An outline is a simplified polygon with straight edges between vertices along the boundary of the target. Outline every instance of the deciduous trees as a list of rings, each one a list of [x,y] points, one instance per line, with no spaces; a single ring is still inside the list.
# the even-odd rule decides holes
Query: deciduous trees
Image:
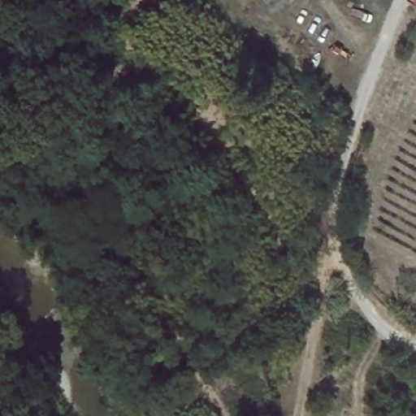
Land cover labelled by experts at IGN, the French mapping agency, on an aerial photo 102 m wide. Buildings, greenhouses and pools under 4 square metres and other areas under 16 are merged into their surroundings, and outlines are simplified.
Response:
[[[50,366],[45,356],[37,353],[36,349],[28,348],[23,343],[15,315],[3,314],[0,310],[0,416],[75,416],[78,406],[71,400],[71,387],[80,380],[86,380],[91,387],[96,388],[102,396],[99,411],[106,413],[107,416],[292,416],[296,405],[297,382],[301,374],[305,335],[318,317],[325,323],[320,336],[320,346],[315,354],[312,372],[314,385],[307,392],[304,416],[325,416],[330,411],[340,411],[346,406],[351,408],[353,380],[357,369],[364,370],[367,374],[364,416],[416,416],[416,348],[396,336],[383,340],[382,336],[377,335],[374,325],[367,322],[367,318],[359,312],[359,307],[351,301],[348,281],[344,279],[341,271],[331,271],[328,279],[330,288],[320,291],[317,279],[320,265],[318,260],[323,255],[330,255],[330,250],[328,237],[323,234],[320,223],[323,213],[331,205],[331,195],[336,182],[343,182],[333,232],[336,239],[340,240],[343,262],[351,268],[357,286],[366,294],[375,281],[369,253],[364,249],[366,229],[369,216],[367,167],[361,158],[356,158],[353,154],[349,158],[348,169],[343,169],[341,154],[348,146],[349,136],[353,133],[353,99],[343,86],[333,86],[331,81],[318,84],[314,78],[302,75],[301,70],[294,68],[294,58],[278,49],[273,37],[258,36],[257,29],[245,28],[242,23],[234,23],[224,13],[218,0],[0,0],[0,232],[3,232],[6,240],[13,244],[13,250],[19,260],[29,270],[28,275],[32,283],[44,283],[52,292],[52,314],[54,320],[60,322],[63,335],[60,377],[62,388],[57,393],[52,393],[49,385],[44,382],[44,377],[52,374],[54,367]]]
[[[396,318],[396,322],[403,325],[409,333],[416,335],[416,268],[400,266],[395,291],[388,294],[382,304]]]

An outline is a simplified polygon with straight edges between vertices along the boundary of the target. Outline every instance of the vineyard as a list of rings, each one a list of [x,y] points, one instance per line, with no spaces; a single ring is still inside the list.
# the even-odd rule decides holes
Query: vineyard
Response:
[[[388,175],[388,182],[395,182],[396,187],[385,187],[387,192],[393,195],[392,198],[383,197],[380,205],[380,213],[393,216],[396,218],[395,223],[390,223],[385,218],[369,216],[366,229],[377,232],[385,239],[416,253],[416,138],[414,141],[405,138],[406,145],[409,145],[408,151],[405,148],[398,148],[400,153],[405,153],[405,158],[395,156],[395,161],[400,164],[398,167],[392,166],[393,172],[398,172],[401,177],[414,182],[414,187],[409,187]]]

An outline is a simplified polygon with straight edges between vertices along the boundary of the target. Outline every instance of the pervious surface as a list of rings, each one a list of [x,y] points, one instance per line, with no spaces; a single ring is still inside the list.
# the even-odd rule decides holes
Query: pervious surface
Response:
[[[304,416],[307,392],[314,385],[312,372],[315,354],[320,346],[320,336],[325,323],[318,317],[305,335],[301,374],[297,382],[296,405],[292,416]]]
[[[357,86],[356,97],[353,99],[353,133],[349,136],[348,146],[341,154],[343,169],[348,169],[349,158],[353,154],[361,135],[367,102],[374,93],[375,81],[379,80],[382,71],[383,58],[387,55],[387,50],[396,44],[408,24],[403,16],[408,8],[406,0],[393,0],[380,29],[374,52],[370,55],[366,71]]]
[[[343,262],[340,240],[336,239],[333,232],[343,182],[336,182],[331,195],[331,205],[323,213],[320,223],[323,234],[328,237],[330,250],[330,255],[323,255],[318,260],[320,265],[317,279],[320,291],[330,288],[328,279],[331,271],[341,271],[344,279],[348,281],[351,301],[359,307],[359,312],[367,318],[367,322],[374,325],[377,335],[382,336],[383,340],[396,336],[416,348],[416,335],[409,333],[403,325],[396,322],[396,318],[382,304],[374,307],[366,294],[357,286],[351,268]]]

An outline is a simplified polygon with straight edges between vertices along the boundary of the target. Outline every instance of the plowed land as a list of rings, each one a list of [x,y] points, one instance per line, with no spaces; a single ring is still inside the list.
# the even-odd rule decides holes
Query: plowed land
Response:
[[[395,291],[400,266],[416,268],[416,253],[385,239],[377,232],[366,229],[364,249],[369,253],[375,281],[366,294],[374,307],[382,304],[388,294]]]

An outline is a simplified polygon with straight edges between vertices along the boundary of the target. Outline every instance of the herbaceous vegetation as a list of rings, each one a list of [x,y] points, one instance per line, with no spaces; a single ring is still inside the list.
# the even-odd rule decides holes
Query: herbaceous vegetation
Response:
[[[302,75],[314,78],[318,84],[331,81],[333,86],[343,86],[353,99],[356,97],[357,86],[366,71],[370,55],[374,52],[380,29],[393,0],[218,0],[224,13],[234,23],[242,23],[245,28],[257,29],[258,36],[273,37],[278,49],[294,58],[294,68],[301,70]]]
[[[330,411],[325,416],[364,416],[367,374],[364,370],[357,369],[353,380],[351,408],[346,406],[340,411]]]
[[[405,153],[400,153],[398,148],[405,148],[408,151],[409,145],[406,145],[405,138],[414,141],[416,138],[416,0],[406,0],[408,8],[403,16],[408,24],[396,44],[387,50],[387,55],[383,58],[382,71],[379,80],[375,81],[374,93],[367,102],[361,135],[353,154],[356,158],[361,158],[367,167],[369,216],[385,218],[390,223],[395,223],[396,218],[393,216],[380,213],[380,205],[383,197],[392,198],[393,195],[387,192],[385,187],[396,187],[395,182],[388,182],[388,175],[409,187],[414,187],[414,182],[401,177],[398,172],[393,172],[392,166],[398,167],[400,164],[395,161],[395,156],[405,158]]]

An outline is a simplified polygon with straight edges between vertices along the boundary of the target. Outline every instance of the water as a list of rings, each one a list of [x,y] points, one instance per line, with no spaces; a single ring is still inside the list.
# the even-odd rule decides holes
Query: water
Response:
[[[6,240],[3,232],[0,232],[0,310],[3,314],[15,315],[23,343],[28,348],[36,349],[37,353],[45,356],[50,366],[54,367],[52,374],[44,377],[44,382],[49,385],[52,393],[57,393],[62,388],[60,377],[63,335],[60,322],[54,320],[52,314],[52,292],[44,283],[32,283],[28,275],[29,270],[19,260],[13,250],[13,244]]]
[[[78,406],[75,416],[107,416],[106,413],[99,411],[102,396],[96,388],[91,387],[86,380],[80,380],[71,387],[71,400]]]

